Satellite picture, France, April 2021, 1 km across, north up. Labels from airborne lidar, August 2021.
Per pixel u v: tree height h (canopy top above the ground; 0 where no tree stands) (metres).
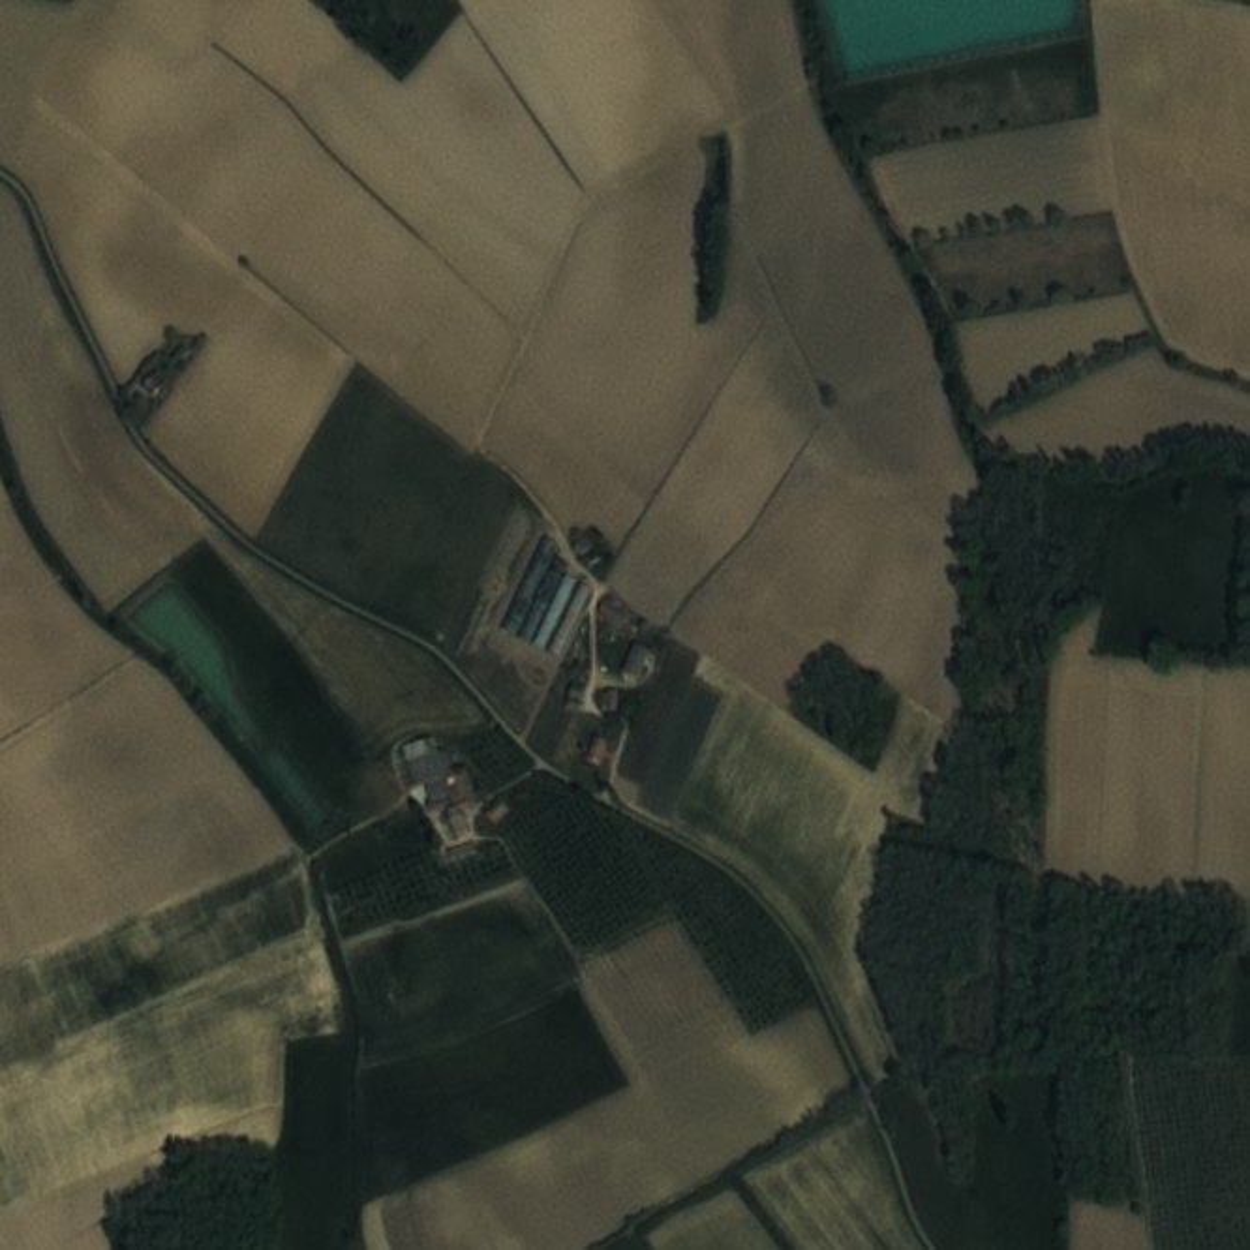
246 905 0
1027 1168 0
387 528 0
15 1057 0
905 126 0
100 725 0
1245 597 18
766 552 0
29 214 0
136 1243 20
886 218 6
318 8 22
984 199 0
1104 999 16
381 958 0
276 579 0
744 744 0
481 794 9
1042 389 17
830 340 0
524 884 0
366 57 15
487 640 0
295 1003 0
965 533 20
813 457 0
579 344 0
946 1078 21
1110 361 18
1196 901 21
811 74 9
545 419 0
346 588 0
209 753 0
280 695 0
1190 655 18
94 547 0
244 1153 19
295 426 0
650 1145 0
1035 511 16
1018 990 24
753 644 0
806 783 0
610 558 7
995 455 12
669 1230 0
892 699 21
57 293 0
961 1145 17
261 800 0
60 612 0
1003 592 20
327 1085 0
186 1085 0
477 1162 0
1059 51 0
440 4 0
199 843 0
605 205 0
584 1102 0
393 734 0
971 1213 0
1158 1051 27
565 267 0
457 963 0
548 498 0
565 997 0
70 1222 0
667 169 0
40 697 0
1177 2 0
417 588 0
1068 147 0
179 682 18
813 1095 0
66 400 0
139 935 0
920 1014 18
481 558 0
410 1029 0
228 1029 0
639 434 0
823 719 16
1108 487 8
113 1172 0
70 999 0
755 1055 0
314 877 0
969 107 0
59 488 0
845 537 0
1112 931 17
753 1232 0
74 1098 0
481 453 0
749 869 0
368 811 0
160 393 7
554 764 0
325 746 0
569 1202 0
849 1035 0
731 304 0
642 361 0
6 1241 0
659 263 0
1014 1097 0
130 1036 0
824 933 0
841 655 18
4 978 0
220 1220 19
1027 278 0
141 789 0
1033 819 15
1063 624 29
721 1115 0
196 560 0
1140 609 0
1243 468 24
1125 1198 18
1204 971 24
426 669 0
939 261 0
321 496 0
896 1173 0
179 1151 18
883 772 0
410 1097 0
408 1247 0
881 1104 12
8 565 0
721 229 30
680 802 0
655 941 0
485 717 0
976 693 21
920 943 20
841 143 20
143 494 0
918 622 0
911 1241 0
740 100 0
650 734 0
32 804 0
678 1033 0
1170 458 26
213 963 0
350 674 0
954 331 22
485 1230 0
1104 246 0
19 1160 0
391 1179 0
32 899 0
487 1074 0
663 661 0
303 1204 0
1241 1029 0
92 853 0
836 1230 0
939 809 22
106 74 0
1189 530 0
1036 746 16
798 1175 0
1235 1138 6
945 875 20
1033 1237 0
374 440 0
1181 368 17
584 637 0
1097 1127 22
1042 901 10
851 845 0
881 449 0
